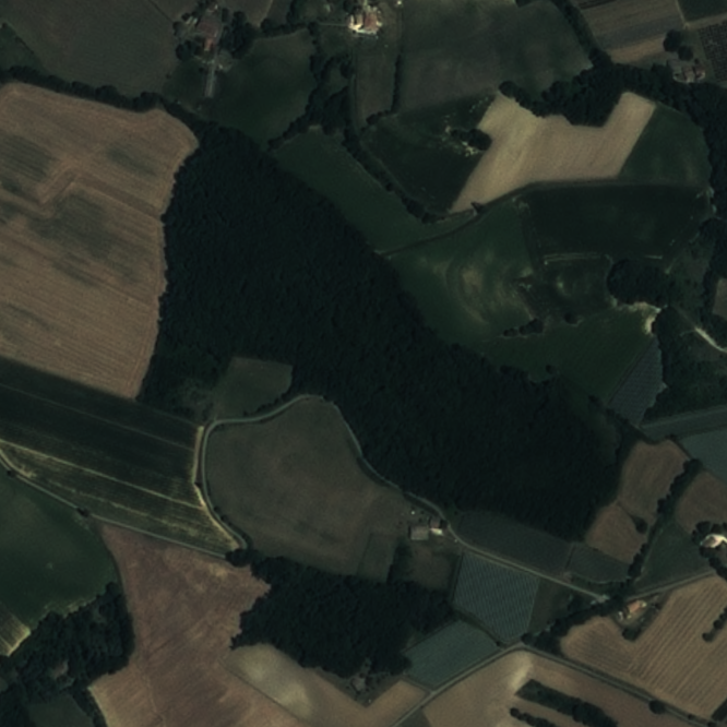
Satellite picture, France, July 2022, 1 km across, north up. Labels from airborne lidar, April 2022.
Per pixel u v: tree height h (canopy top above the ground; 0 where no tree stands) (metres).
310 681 0
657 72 17
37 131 0
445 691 0
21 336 0
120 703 0
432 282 0
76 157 0
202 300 18
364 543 0
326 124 20
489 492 12
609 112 15
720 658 0
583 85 21
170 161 0
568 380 0
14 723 16
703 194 0
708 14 0
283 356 16
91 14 0
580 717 13
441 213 0
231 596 0
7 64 0
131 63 0
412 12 0
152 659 0
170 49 0
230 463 0
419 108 0
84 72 0
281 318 16
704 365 9
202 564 0
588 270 0
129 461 0
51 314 0
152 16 0
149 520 0
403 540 0
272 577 25
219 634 0
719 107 23
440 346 15
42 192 0
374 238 0
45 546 0
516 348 0
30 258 0
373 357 25
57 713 0
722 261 11
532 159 0
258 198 18
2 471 0
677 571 0
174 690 0
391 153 0
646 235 0
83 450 0
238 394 0
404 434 20
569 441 16
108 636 15
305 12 0
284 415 0
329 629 17
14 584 0
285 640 20
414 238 0
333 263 22
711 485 0
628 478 0
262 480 0
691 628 0
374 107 0
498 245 0
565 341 0
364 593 21
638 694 0
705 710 0
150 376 7
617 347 0
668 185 0
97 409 0
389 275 19
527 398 19
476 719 0
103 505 0
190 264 18
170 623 0
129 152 0
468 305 0
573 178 0
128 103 13
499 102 0
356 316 12
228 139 20
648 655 0
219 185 18
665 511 12
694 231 0
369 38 0
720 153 16
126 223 0
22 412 0
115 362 0
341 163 0
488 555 0
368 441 13
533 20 0
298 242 21
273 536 0
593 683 0
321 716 0
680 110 24
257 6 0
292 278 24
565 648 0
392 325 14
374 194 0
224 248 20
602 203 0
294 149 0
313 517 0
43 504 0
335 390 18
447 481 21
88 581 0
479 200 0
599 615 14
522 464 14
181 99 0
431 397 16
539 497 14
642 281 22
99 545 0
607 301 0
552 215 0
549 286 0
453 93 0
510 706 0
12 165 0
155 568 0
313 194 17
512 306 0
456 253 0
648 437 6
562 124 0
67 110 0
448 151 0
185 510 0
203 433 0
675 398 13
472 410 15
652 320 0
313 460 0
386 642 18
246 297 17
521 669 0
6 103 0
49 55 0
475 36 0
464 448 14
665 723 0
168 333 16
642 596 0
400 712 0
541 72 0
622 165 0
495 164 0
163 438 0
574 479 14
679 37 15
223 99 0
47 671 10
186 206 17
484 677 0
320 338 13
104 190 0
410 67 0
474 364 20
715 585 0
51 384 0
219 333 17
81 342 0
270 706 0
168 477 0
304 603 21
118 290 0
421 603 24
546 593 0
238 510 0
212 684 0
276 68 0
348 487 0
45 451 0
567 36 0
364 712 0
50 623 10
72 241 0
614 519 0
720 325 11
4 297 0
